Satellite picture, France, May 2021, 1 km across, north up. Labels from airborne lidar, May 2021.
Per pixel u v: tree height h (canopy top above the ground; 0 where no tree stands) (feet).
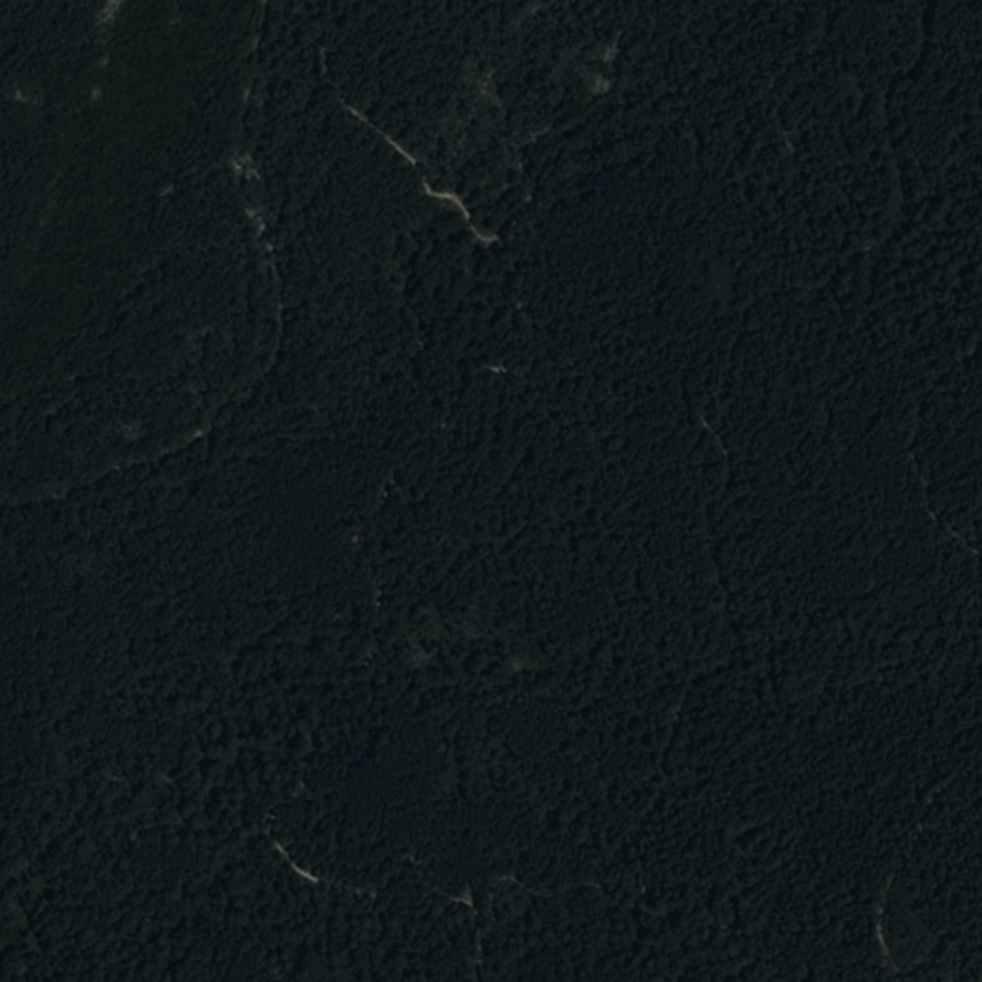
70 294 49
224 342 69
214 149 70
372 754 19
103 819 93
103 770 85
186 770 98
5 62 64
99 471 60
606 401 54
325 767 79
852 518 75
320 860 67
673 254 65
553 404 97
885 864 70
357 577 92
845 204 68
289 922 91
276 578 84
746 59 53
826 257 71
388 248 81
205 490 75
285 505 73
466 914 80
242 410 70
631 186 90
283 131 25
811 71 68
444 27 82
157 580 85
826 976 68
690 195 68
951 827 41
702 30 65
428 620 56
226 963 99
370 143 87
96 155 57
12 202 59
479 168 93
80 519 98
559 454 80
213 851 105
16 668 73
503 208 66
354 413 75
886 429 71
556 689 101
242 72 54
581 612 71
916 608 18
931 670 85
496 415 68
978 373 74
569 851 76
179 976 103
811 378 67
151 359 94
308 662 101
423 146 37
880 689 70
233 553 107
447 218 53
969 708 56
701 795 46
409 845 76
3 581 72
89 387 91
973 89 69
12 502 50
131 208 46
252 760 24
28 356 48
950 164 74
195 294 74
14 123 19
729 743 55
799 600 70
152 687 110
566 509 60
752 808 81
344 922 70
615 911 70
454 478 70
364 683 58
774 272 60
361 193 78
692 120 89
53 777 58
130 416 65
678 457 71
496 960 69
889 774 66
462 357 75
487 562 70
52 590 83
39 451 44
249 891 108
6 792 75
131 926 102
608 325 82
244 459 87
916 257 79
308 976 75
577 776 71
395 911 60
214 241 66
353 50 61
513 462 88
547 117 23
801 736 51
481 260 42
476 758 104
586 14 64
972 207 62
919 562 52
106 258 50
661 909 117
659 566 93
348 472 102
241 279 54
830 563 59
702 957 76
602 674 84
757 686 21
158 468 69
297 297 77
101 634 104
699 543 66
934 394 60
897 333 79
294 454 79
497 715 89
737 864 54
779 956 66
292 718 77
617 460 68
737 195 90
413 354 70
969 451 44
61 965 72
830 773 55
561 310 93
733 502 50
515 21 84
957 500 57
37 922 71
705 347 57
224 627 86
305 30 76
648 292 61
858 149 71
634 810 75
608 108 28
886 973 76
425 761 60
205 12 56
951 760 54
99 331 84
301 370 89
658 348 61
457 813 96
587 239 70
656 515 69
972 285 97
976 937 42
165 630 91
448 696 109
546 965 60
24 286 27
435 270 90
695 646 76
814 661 94
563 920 74
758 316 52
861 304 64
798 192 45
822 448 81
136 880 79
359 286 74
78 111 67
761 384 45
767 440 49
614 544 84
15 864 83
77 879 78
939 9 81
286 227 81
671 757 69
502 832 81
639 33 53
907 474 59
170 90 49
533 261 82
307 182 70
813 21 75
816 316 67
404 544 85
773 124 66
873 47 73
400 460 88
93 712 88
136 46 42
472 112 80
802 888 46
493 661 71
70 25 71
